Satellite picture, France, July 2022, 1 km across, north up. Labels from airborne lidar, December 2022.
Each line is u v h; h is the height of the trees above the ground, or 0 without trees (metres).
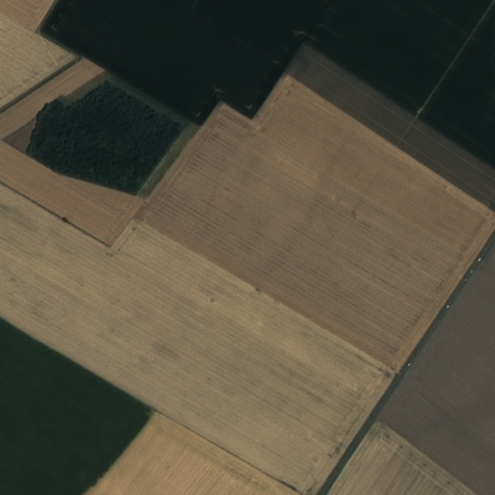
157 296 0
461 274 0
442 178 0
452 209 0
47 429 0
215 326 0
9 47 0
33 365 0
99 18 0
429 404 0
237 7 0
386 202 0
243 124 0
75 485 0
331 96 0
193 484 0
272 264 0
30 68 0
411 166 0
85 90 0
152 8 0
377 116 0
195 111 0
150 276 0
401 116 0
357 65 0
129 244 0
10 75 0
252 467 0
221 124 0
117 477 0
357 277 0
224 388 0
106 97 18
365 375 0
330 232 0
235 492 0
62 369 0
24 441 0
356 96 0
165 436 0
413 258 0
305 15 0
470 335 0
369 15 0
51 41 0
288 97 0
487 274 0
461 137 0
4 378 0
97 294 0
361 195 0
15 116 0
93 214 0
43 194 0
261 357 0
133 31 0
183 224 0
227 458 0
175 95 0
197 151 0
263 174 0
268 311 0
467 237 0
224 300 0
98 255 0
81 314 0
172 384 0
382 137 0
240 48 0
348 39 0
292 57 0
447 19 0
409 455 0
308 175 0
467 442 0
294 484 0
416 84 0
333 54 0
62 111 12
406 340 0
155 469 0
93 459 0
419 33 0
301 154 0
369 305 0
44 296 0
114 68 0
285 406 0
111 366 0
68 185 0
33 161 0
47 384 0
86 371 0
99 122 15
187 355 0
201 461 0
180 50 0
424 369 0
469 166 0
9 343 0
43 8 0
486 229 0
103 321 0
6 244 0
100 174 14
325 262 0
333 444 0
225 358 0
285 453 0
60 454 0
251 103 0
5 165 0
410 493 0
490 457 0
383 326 0
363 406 0
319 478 0
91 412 0
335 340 0
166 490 0
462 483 0
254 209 0
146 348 0
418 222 0
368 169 0
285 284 0
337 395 0
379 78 0
